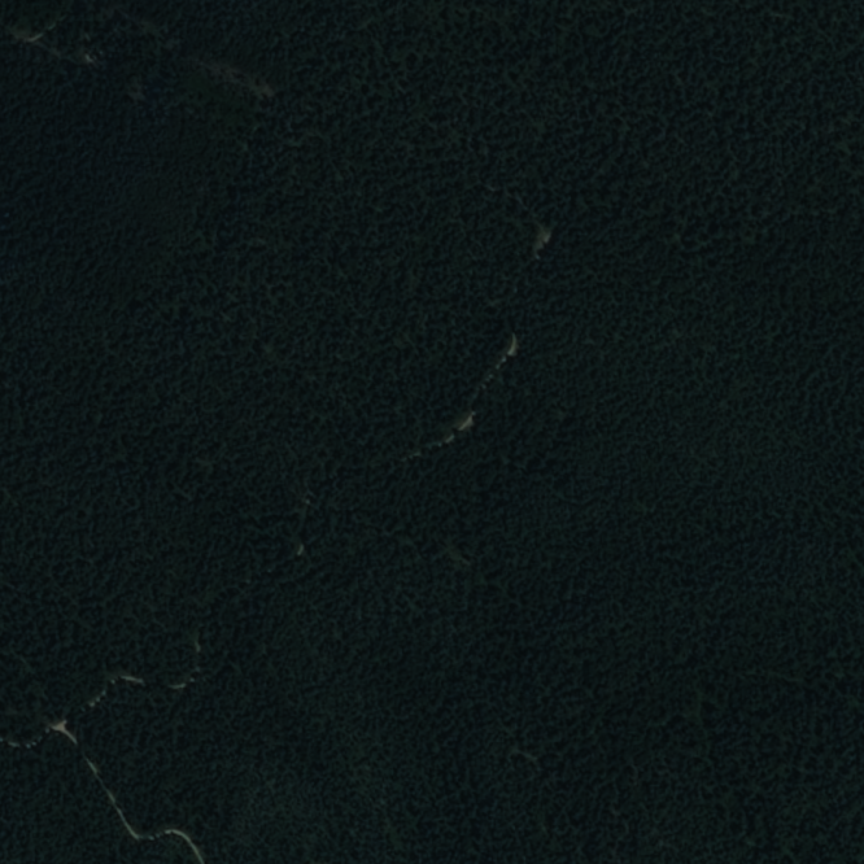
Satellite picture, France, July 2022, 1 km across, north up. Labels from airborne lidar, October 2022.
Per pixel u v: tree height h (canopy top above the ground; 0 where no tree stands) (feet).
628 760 22
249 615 70
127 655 41
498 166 54
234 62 62
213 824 49
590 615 54
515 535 23
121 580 64
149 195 48
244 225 60
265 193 67
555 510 70
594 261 29
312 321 55
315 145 51
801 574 54
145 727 61
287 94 56
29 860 49
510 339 78
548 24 47
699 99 55
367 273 59
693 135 68
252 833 47
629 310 57
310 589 44
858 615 88
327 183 59
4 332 47
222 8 62
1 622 53
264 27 58
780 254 58
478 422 55
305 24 72
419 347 44
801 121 80
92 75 81
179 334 27
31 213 73
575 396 55
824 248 60
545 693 64
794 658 54
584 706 41
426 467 62
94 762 48
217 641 60
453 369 43
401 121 75
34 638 84
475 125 82
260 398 87
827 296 57
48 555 59
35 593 60
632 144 51
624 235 46
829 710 50
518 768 62
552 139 59
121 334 39
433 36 68
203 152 57
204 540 61
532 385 47
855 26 70
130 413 54
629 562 62
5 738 85
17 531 57
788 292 113
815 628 43
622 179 76
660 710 33
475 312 65
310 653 38
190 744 59
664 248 68
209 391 55
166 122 58
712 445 45
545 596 71
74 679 33
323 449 22
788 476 71
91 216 79
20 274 74
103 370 56
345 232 53
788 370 29
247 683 33
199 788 67
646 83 73
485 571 68
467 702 93
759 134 65
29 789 48
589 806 32
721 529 69
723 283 57
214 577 75
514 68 63
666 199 55
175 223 50
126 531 47
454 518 55
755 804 73
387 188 58
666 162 68
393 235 70
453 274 35
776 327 35
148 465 31
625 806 56
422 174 68
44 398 83
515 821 68
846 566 20
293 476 75
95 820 74
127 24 77
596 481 64
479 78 40
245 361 41
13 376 39
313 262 63
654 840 54
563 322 55
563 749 66
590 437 86
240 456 43
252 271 23
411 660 68
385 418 73
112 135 86
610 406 63
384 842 90
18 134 92
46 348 62
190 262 60
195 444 52
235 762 52
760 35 54
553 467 88
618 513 48
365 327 86
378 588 60
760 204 30
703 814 63
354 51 28
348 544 62
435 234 51
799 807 56
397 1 61
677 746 44
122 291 54
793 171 49
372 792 51
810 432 62
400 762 49
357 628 67
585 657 62
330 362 72
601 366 52
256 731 39
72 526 54
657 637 49
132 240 72
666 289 57
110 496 54
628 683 60
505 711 75
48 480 66
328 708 46
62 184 75
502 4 62
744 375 58
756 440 52
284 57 78
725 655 68
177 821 69
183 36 75
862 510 25
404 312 54
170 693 70
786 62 67
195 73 33
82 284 69
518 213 64
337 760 67
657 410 29
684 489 50
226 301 53
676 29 77
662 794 37
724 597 60
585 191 42
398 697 57
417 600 57
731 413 35
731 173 57
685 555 32
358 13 52
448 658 63
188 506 93
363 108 77
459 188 62
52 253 72
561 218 78
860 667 51
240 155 54
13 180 83
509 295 62
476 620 69
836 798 83
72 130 80
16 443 27
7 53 80
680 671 64
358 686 35
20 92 81
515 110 74
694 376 47
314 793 54
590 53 56
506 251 31
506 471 79
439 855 42
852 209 59
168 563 72
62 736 51
